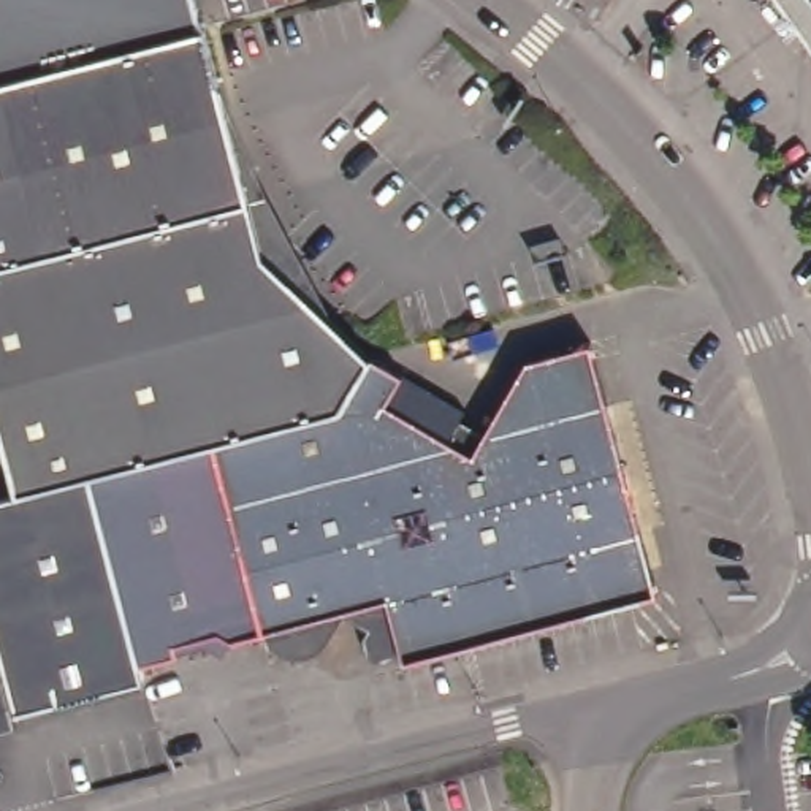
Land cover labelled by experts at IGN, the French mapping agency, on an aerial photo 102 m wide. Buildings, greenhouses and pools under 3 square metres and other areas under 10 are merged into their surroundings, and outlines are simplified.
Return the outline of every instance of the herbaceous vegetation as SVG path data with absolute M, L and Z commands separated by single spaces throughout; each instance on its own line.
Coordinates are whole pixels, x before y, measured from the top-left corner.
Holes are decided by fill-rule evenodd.
M 523 751 L 507 751 L 501 770 L 510 805 L 516 811 L 554 811 L 548 779 L 539 773 L 539 767 Z
M 406 333 L 399 304 L 386 304 L 380 317 L 352 317 L 352 329 L 371 345 L 399 352 L 415 348 L 421 342 L 437 342 L 444 336 L 444 326 Z
M 735 744 L 738 732 L 732 716 L 703 716 L 653 741 L 656 754 Z
M 665 250 L 662 238 L 627 200 L 627 193 L 596 165 L 586 146 L 573 136 L 570 124 L 554 108 L 542 105 L 539 111 L 520 111 L 513 127 L 520 127 L 548 162 L 570 174 L 605 212 L 608 222 L 599 234 L 592 234 L 592 250 L 611 266 L 611 285 L 675 285 L 678 263 Z

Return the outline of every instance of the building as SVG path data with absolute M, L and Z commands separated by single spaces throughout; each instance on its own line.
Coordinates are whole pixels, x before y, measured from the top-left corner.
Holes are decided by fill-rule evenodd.
M 133 681 L 146 681 L 146 662 L 162 662 L 168 649 L 203 640 L 241 643 L 250 637 L 279 634 L 301 624 L 361 611 L 371 605 L 386 605 L 393 643 L 406 649 L 402 662 L 421 662 L 472 649 L 482 643 L 507 640 L 516 634 L 529 634 L 539 627 L 577 621 L 586 615 L 611 611 L 621 605 L 634 605 L 646 599 L 649 589 L 656 589 L 653 561 L 630 526 L 621 485 L 611 466 L 602 418 L 611 402 L 602 371 L 596 364 L 596 352 L 589 345 L 523 364 L 510 390 L 504 393 L 494 418 L 488 421 L 478 447 L 466 456 L 456 447 L 469 434 L 469 425 L 463 425 L 463 415 L 456 409 L 364 361 L 320 314 L 314 314 L 285 282 L 279 282 L 263 266 L 260 238 L 247 187 L 241 181 L 241 165 L 231 143 L 225 105 L 219 92 L 209 95 L 206 57 L 196 51 L 200 38 L 193 35 L 184 0 L 0 0 L 0 732 L 6 729 L 6 722 L 48 719 L 57 713 L 57 706 L 79 706 L 86 700 L 95 700 L 98 694 L 130 687 Z
M 770 29 L 779 38 L 789 38 L 798 48 L 805 48 L 811 60 L 811 0 L 767 0 L 767 10 L 776 13 L 776 22 Z

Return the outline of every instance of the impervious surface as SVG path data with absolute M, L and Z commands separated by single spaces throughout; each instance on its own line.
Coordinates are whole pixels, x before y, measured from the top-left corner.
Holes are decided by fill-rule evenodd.
M 241 165 L 241 181 L 247 187 L 260 238 L 263 266 L 279 282 L 285 282 L 314 314 L 320 314 L 364 361 L 456 409 L 463 415 L 463 425 L 469 425 L 469 434 L 456 447 L 466 456 L 478 447 L 488 421 L 494 418 L 504 393 L 510 390 L 523 364 L 589 345 L 596 352 L 596 364 L 602 371 L 611 402 L 602 418 L 611 466 L 621 485 L 630 526 L 653 561 L 656 589 L 649 589 L 646 599 L 634 605 L 621 605 L 611 611 L 586 615 L 577 621 L 539 627 L 529 634 L 516 634 L 507 640 L 482 643 L 472 649 L 421 662 L 402 662 L 406 649 L 393 643 L 386 605 L 371 605 L 361 611 L 301 624 L 279 634 L 250 637 L 241 643 L 203 640 L 168 649 L 162 662 L 146 662 L 146 681 L 133 681 L 130 687 L 98 694 L 95 700 L 86 700 L 79 706 L 57 706 L 57 713 L 48 719 L 6 722 L 6 729 L 0 732 L 0 811 L 516 811 L 510 805 L 501 770 L 507 751 L 523 751 L 539 767 L 539 773 L 548 779 L 554 811 L 811 811 L 811 250 L 801 247 L 798 231 L 792 225 L 792 209 L 782 203 L 779 193 L 789 193 L 801 184 L 811 187 L 811 60 L 805 48 L 798 48 L 789 38 L 779 38 L 770 29 L 776 22 L 776 13 L 767 10 L 767 0 L 184 0 L 193 35 L 200 38 L 196 51 L 206 57 L 209 95 L 219 92 L 225 105 L 231 143 Z M 662 13 L 672 22 L 672 51 L 653 41 L 646 29 L 646 13 Z M 599 234 L 608 222 L 605 212 L 570 174 L 548 162 L 520 127 L 513 127 L 520 111 L 539 111 L 542 105 L 554 108 L 570 124 L 573 136 L 586 146 L 596 165 L 627 193 L 627 200 L 662 238 L 665 250 L 678 263 L 675 285 L 611 285 L 611 266 L 592 250 L 592 234 Z M 371 345 L 352 329 L 352 317 L 380 317 L 386 304 L 399 304 L 406 333 L 444 326 L 444 336 L 437 342 L 421 342 L 415 348 L 399 352 Z M 656 754 L 653 741 L 703 716 L 732 716 L 738 732 L 735 744 Z

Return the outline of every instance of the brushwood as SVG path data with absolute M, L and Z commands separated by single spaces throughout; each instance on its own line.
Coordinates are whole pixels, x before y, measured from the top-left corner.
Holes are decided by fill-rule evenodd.
M 779 193 L 782 203 L 792 209 L 792 225 L 798 231 L 801 247 L 811 250 L 811 187 L 801 184 L 789 193 Z
M 672 51 L 672 22 L 662 13 L 646 13 L 646 29 L 653 41 Z

